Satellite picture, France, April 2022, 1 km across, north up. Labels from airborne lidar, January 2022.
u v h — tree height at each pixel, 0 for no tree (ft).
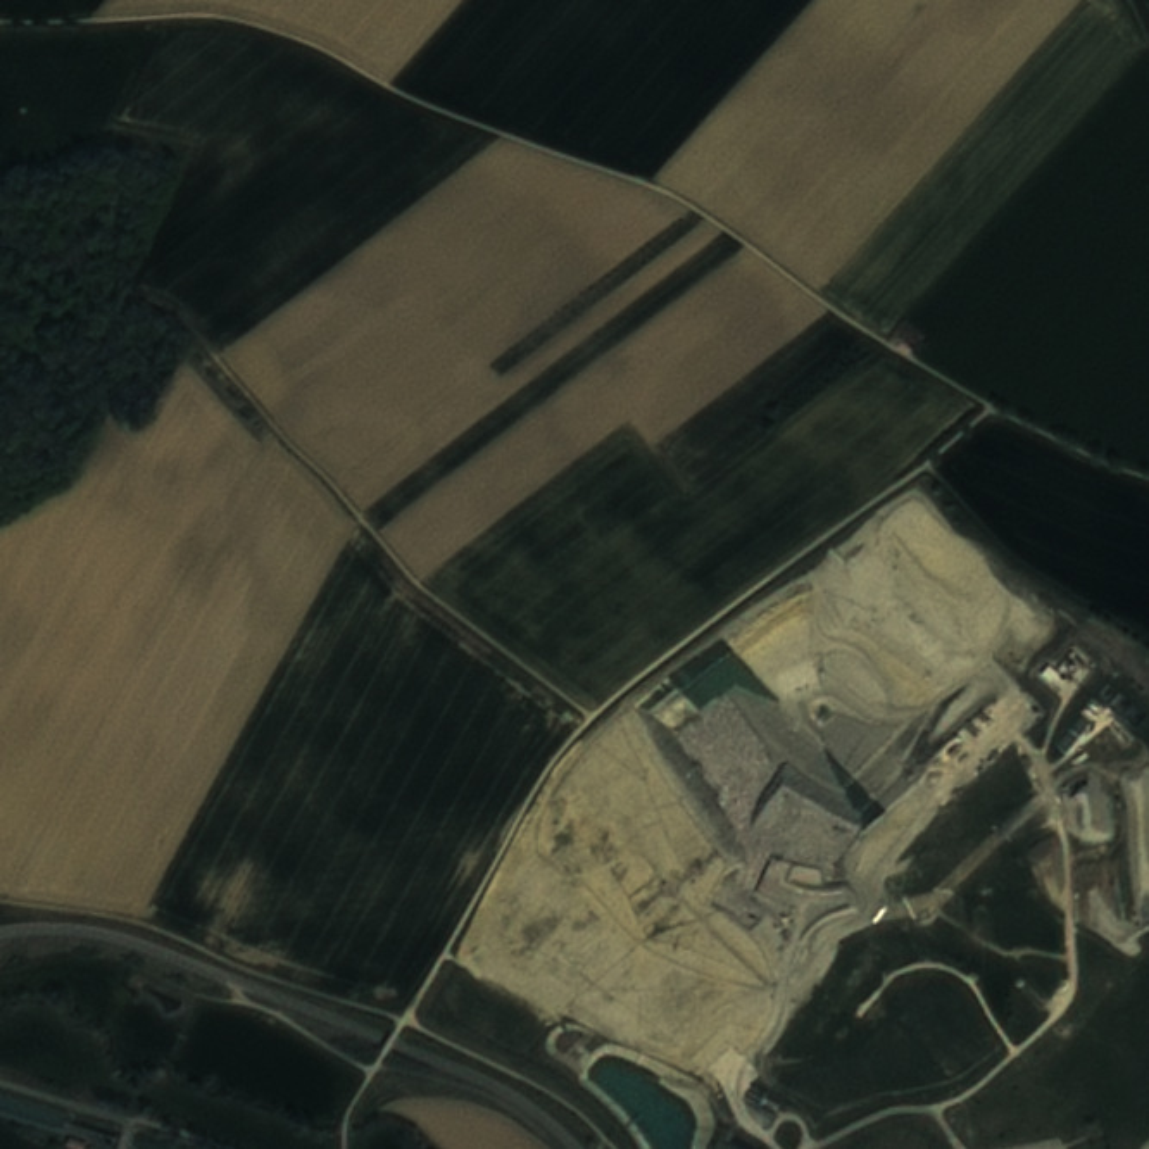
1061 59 0
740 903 0
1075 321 0
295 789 0
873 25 0
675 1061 0
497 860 0
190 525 0
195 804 0
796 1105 0
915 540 0
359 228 0
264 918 0
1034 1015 0
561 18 0
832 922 0
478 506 0
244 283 0
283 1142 0
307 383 0
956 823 0
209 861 0
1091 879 0
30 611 0
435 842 0
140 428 49
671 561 0
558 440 0
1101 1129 0
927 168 0
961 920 0
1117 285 0
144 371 93
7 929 0
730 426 0
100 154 82
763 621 0
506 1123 0
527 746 0
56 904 0
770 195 0
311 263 0
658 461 0
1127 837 0
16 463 85
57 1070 0
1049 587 0
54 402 90
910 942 0
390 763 0
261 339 0
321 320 0
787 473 0
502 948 0
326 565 0
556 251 0
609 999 0
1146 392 0
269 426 0
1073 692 0
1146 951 0
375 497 0
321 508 0
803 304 0
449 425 0
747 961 0
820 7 0
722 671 0
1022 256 0
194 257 0
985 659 0
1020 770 0
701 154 0
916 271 0
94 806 0
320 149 0
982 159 0
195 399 0
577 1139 0
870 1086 0
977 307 0
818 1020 0
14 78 0
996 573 0
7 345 102
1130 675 0
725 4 0
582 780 0
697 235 0
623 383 0
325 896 0
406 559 0
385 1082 0
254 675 0
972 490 0
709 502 0
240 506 0
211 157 0
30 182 87
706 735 0
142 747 0
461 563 0
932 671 0
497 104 0
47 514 0
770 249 0
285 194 0
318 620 0
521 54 0
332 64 0
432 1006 0
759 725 0
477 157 0
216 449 0
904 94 0
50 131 0
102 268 91
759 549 0
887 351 0
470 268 0
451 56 0
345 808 0
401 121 0
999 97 0
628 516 0
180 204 0
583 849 0
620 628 0
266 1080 0
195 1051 0
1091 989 0
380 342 0
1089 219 0
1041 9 0
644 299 0
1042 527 0
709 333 0
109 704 0
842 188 0
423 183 0
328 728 0
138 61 0
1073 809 0
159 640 0
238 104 0
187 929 0
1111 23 0
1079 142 0
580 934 0
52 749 0
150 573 0
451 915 0
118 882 0
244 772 0
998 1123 0
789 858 0
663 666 0
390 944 0
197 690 0
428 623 0
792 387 0
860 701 0
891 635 0
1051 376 0
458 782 0
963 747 0
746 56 0
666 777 0
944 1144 0
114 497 0
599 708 0
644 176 0
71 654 0
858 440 0
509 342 0
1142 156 0
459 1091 0
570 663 0
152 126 0
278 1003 0
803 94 0
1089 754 0
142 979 0
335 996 0
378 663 0
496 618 0
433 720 0
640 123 0
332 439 0
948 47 0
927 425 0
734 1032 0
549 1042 0
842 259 0
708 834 0
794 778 0
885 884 0
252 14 0
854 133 0
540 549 0
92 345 84
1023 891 0
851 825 0
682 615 0
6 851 0
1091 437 0
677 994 0
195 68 0
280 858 0
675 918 0
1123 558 0
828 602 0
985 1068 0
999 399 29
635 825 0
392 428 0
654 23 0
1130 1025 0
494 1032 0
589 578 0
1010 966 0
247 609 0
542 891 0
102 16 0
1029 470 0
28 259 92
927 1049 0
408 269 0
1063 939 0
